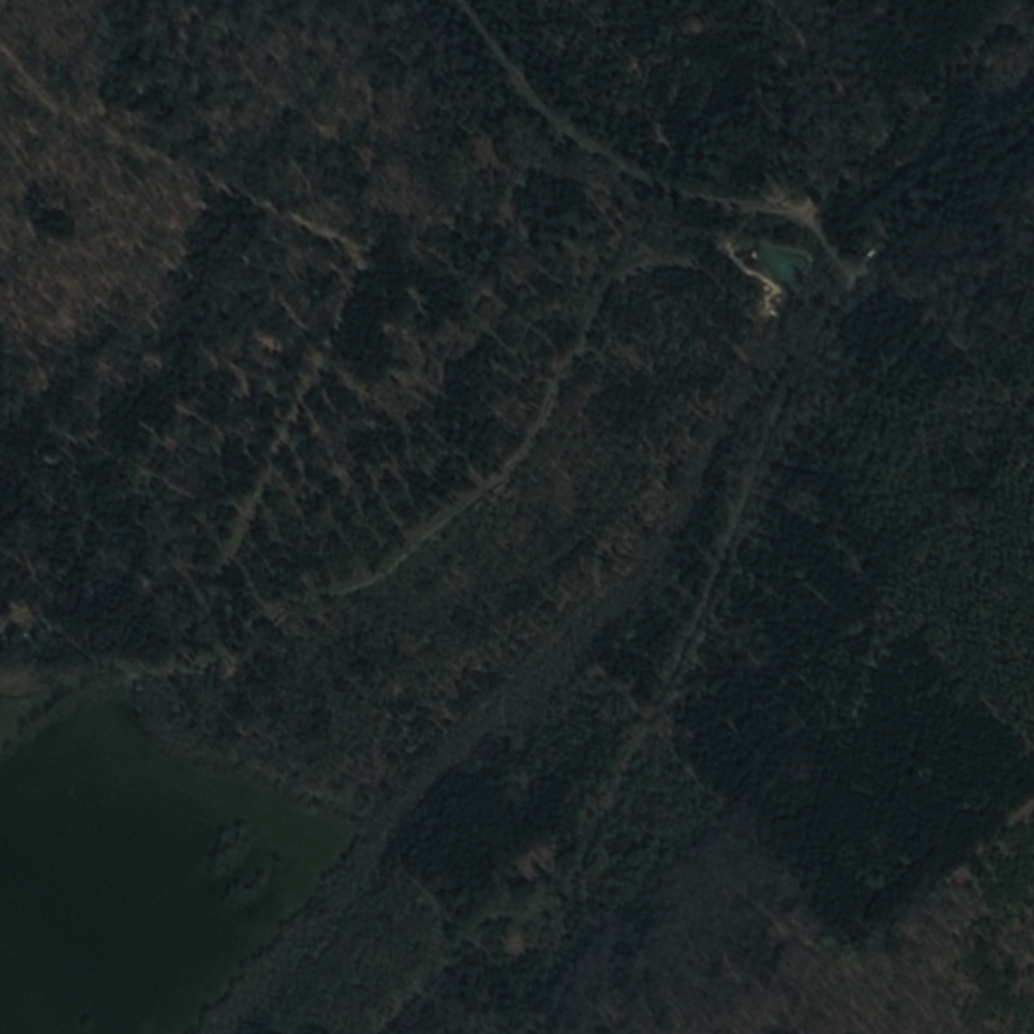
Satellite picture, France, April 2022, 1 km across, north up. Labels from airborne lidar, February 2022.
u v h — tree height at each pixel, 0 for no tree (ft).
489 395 47
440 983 55
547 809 62
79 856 0
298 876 0
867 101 95
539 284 47
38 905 0
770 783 67
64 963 0
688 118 31
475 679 30
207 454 95
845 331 39
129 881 0
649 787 52
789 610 37
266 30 64
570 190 65
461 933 46
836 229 45
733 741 48
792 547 46
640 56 25
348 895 56
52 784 0
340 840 0
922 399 42
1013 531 45
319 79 97
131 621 59
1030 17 26
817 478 44
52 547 78
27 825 0
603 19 23
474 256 52
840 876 53
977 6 71
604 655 30
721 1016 73
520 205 47
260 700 33
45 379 82
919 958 75
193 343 77
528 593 26
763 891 90
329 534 35
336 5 62
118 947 0
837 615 26
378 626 25
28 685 0
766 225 45
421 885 64
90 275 80
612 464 26
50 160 88
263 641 56
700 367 43
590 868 42
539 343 54
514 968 25
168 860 0
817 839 55
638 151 30
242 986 50
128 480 64
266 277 94
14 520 53
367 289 84
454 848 64
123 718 0
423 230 78
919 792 42
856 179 72
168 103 81
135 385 63
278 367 90
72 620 80
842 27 84
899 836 49
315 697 32
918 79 70
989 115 86
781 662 45
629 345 33
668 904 72
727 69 36
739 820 62
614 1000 71
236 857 72
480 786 58
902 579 45
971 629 44
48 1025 0
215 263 100
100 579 92
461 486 33
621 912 46
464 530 34
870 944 83
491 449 59
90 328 68
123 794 0
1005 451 41
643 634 38
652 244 42
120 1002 0
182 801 0
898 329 57
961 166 94
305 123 68
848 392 38
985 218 64
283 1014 31
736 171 53
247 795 0
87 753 0
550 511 28
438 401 32
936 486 45
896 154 34
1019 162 78
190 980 0
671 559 38
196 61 94
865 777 37
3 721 0
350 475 19
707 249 54
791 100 44
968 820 51
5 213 85
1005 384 38
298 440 92
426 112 96
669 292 31
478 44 124
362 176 30
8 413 77
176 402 29
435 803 44
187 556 95
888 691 36
